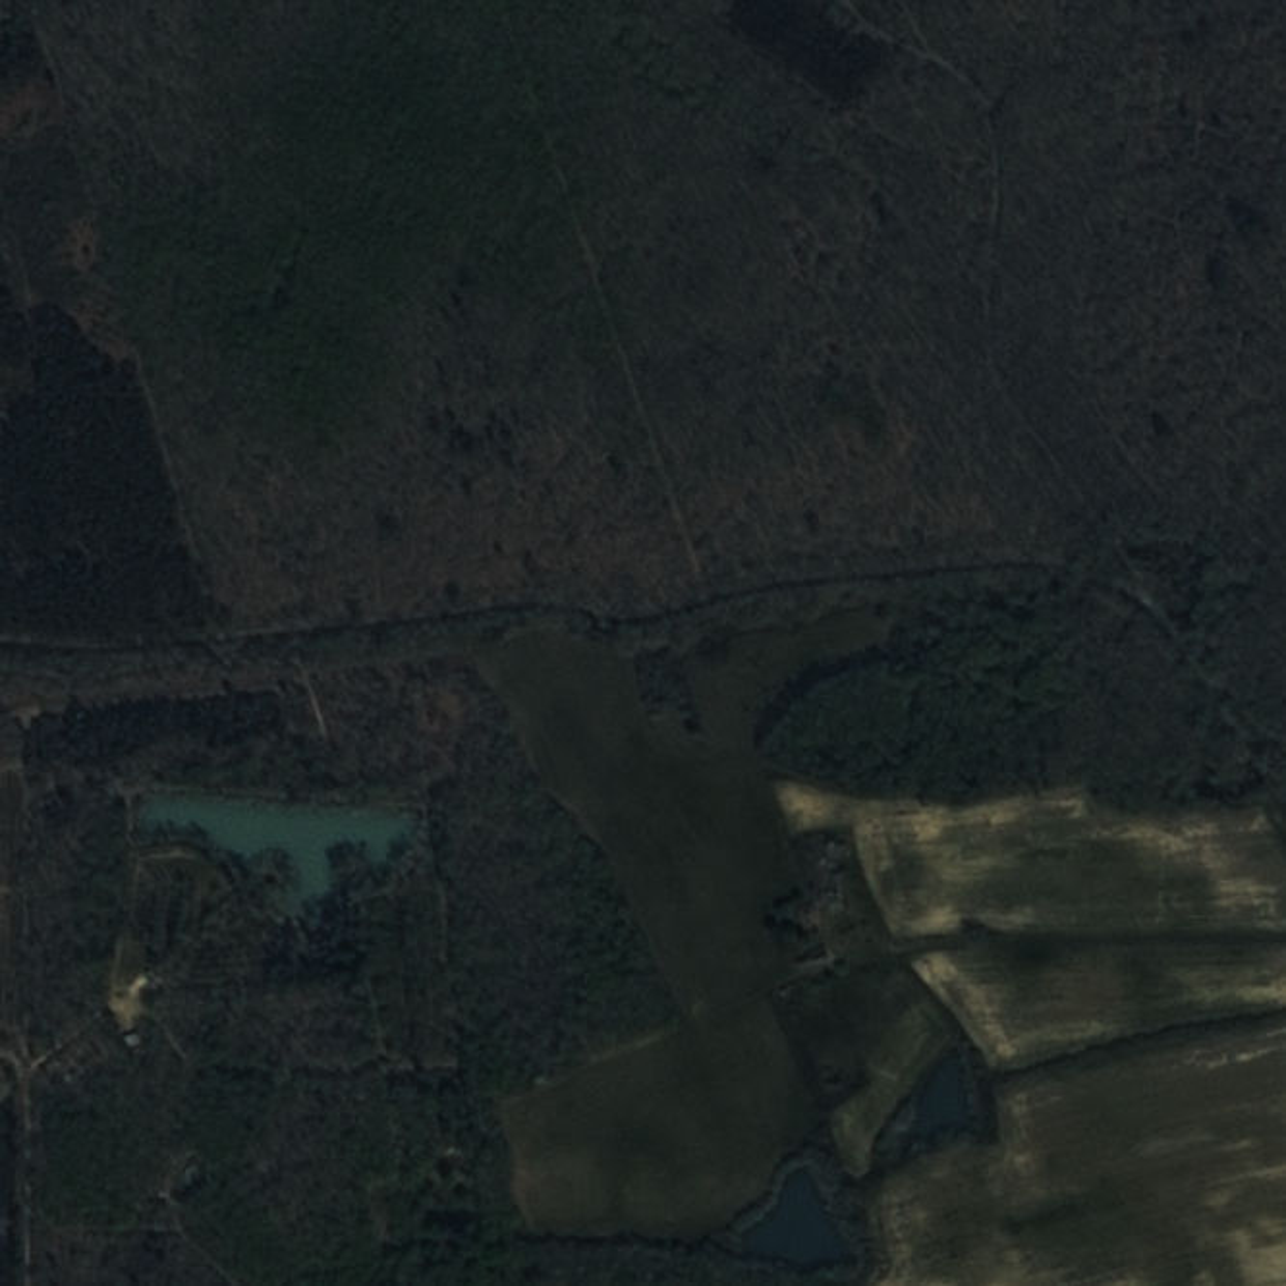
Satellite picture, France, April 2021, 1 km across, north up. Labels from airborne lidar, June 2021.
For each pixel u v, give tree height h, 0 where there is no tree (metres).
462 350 12
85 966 19
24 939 6
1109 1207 0
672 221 11
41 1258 7
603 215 11
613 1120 0
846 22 10
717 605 20
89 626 19
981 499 13
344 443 18
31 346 20
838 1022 0
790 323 12
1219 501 20
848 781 18
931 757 22
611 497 9
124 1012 0
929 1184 0
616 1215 0
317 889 0
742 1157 0
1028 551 17
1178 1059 0
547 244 13
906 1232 0
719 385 11
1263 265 13
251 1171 15
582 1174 0
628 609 15
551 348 16
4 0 9
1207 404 8
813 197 17
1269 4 13
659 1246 7
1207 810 12
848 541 9
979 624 16
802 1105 0
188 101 14
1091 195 14
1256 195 13
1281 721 25
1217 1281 0
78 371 19
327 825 0
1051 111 19
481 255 14
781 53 8
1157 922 0
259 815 0
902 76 13
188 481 11
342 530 7
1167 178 13
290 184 15
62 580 21
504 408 10
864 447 10
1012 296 18
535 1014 20
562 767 0
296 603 13
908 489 16
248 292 20
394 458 12
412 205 19
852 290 12
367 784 13
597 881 16
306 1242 17
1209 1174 0
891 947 0
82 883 17
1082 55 19
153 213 20
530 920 15
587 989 19
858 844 0
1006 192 10
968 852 0
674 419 12
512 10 19
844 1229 6
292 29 13
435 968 11
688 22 14
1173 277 8
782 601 25
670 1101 0
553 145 14
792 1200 0
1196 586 7
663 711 13
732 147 16
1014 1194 0
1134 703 22
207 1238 16
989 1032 0
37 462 20
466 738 9
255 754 17
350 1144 15
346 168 16
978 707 20
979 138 13
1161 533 15
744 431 12
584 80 18
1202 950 0
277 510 10
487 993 16
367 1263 14
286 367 22
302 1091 13
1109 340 8
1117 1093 0
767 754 17
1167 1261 0
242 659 12
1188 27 11
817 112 18
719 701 0
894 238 10
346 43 15
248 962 9
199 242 18
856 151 17
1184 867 0
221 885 0
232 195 19
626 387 14
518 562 12
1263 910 0
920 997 0
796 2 9
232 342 21
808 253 14
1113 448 13
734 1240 5
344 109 22
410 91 16
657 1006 14
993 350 15
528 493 10
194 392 15
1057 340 14
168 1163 11
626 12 27
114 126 11
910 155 12
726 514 8
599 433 11
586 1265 17
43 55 19
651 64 19
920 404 15
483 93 22
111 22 16
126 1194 16
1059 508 20
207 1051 19
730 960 0
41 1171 15
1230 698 18
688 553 8
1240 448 15
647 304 12
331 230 16
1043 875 0
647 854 0
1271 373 11
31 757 11
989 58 17
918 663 17
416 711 13
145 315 17
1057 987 0
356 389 21
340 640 20
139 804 7
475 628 16
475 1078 18
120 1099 15
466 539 8
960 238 20
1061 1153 0
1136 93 14
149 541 21
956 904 0
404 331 15
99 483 20
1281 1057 0
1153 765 24
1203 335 9
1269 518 16
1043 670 19
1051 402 19
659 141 20
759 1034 0
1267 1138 0
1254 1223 0
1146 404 7
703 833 0
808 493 11
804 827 0
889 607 12
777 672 0
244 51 14
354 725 13
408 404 13
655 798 0
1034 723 23
